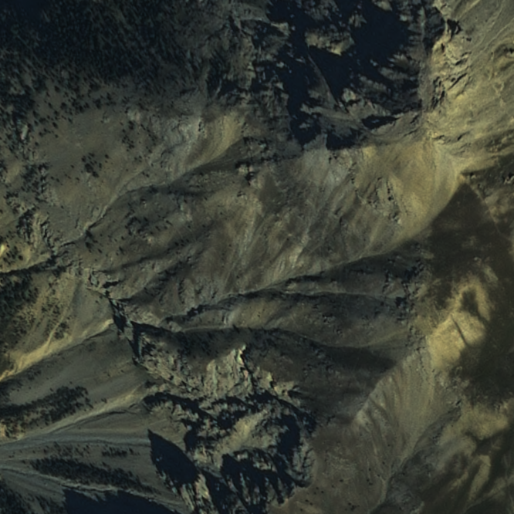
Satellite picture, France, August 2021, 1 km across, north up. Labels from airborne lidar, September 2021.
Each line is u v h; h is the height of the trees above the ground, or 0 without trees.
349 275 0
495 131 0
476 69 0
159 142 0
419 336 0
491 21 0
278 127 0
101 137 0
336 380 0
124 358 0
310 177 0
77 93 8
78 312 0
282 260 0
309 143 0
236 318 0
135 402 0
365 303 0
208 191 0
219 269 0
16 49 7
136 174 0
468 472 0
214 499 0
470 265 0
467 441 0
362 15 0
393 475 0
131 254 0
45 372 0
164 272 0
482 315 0
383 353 0
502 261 0
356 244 0
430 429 0
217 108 0
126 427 0
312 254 0
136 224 0
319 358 0
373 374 0
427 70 0
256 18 0
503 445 0
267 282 0
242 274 0
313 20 0
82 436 0
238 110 0
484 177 0
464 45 0
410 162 0
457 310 0
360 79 0
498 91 0
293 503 0
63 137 0
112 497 0
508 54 0
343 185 0
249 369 0
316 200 0
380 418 0
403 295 0
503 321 0
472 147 0
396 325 0
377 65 0
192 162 0
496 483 0
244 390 0
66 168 0
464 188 0
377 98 0
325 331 0
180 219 0
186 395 0
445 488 0
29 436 0
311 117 0
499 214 0
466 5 0
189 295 0
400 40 0
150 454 0
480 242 0
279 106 0
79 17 7
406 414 0
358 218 0
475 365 0
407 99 0
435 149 0
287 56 0
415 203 0
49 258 0
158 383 0
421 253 0
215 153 0
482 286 0
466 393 0
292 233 0
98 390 0
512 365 0
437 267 0
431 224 0
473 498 0
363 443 0
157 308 0
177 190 0
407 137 0
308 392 0
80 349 0
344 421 0
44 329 0
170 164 0
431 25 0
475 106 0
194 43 0
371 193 0
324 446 0
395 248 0
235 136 0
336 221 0
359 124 0
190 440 0
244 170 0
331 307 0
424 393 0
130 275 0
